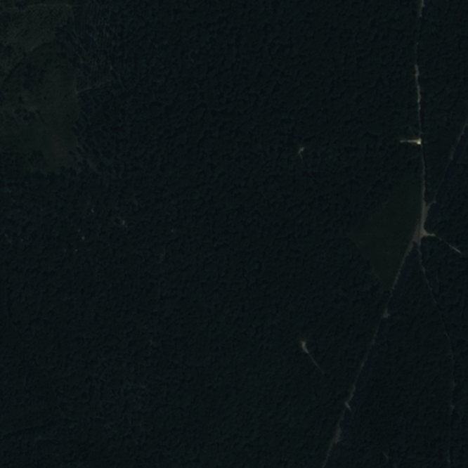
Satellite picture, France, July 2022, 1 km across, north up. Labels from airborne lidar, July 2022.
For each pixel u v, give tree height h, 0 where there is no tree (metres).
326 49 24
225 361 19
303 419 19
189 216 25
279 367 17
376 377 21
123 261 28
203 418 20
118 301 22
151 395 21
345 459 21
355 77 25
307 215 24
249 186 29
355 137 25
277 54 24
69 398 21
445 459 14
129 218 20
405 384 23
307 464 20
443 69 15
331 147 24
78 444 14
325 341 24
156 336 23
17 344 20
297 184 25
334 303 24
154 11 12
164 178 16
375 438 22
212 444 19
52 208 19
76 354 22
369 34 24
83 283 22
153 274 14
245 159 20
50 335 20
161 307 23
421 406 22
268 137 21
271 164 31
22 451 23
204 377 24
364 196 18
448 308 23
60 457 8
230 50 27
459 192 16
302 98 24
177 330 24
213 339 23
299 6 24
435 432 25
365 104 25
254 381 17
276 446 16
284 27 28
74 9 7
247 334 18
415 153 24
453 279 25
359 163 28
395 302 20
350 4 27
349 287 25
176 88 25
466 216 18
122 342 22
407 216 0
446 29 25
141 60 18
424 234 0
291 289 23
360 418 20
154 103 22
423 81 23
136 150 23
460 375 27
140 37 23
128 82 26
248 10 23
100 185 24
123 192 18
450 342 18
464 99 20
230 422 16
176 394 20
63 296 22
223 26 27
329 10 25
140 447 17
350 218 21
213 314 19
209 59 26
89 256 21
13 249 17
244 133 26
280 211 28
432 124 20
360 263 23
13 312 24
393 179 22
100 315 22
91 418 20
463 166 16
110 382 24
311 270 22
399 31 24
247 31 25
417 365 23
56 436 24
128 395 28
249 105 27
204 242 22
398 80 23
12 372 24
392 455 25
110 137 7
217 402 18
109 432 22
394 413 18
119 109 7
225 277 23
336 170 25
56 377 19
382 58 27
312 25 27
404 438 21
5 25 6
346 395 24
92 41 24
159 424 23
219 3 27
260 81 27
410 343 25
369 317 26
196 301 24
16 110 0
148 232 25
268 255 21
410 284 28
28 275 22
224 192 24
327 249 20
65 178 22
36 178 24
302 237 23
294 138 26
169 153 22
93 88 7
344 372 19
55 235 23
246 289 22
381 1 21
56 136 0
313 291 19
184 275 22
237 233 25
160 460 21
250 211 18
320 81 24
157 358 19
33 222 23
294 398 20
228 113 28
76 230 23
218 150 26
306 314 17
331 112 26
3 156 8
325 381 19
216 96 28
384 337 22
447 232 21
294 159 26
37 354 22
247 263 27
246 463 19
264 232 27
